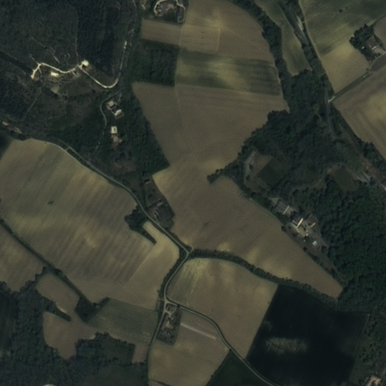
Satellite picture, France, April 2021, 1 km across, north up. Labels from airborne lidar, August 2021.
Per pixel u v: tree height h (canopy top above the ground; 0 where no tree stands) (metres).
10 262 0
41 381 18
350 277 17
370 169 0
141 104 20
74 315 0
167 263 0
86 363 21
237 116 0
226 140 0
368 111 0
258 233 0
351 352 0
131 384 0
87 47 10
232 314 0
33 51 16
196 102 0
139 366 16
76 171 0
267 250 0
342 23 0
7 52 15
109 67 12
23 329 7
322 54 0
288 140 11
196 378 0
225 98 0
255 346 0
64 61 16
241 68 0
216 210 0
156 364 0
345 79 0
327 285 0
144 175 15
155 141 23
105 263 0
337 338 0
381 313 15
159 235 0
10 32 18
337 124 9
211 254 12
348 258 30
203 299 0
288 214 0
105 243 0
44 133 12
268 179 0
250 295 0
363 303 14
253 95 0
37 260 0
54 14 19
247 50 0
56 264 0
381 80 0
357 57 0
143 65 12
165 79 7
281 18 0
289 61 0
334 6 0
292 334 0
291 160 10
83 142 7
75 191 0
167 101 0
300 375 0
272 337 0
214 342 0
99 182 0
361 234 27
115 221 0
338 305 13
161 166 9
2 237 0
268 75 0
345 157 25
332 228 24
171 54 18
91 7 11
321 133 11
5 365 14
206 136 0
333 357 0
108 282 0
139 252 0
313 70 23
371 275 31
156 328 0
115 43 11
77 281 0
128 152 8
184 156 0
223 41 0
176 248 0
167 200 0
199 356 0
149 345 0
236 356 0
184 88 0
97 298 0
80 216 0
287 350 0
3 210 0
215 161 0
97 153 14
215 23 0
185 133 0
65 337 0
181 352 0
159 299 0
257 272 11
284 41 0
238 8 0
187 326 0
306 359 0
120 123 0
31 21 16
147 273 0
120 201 0
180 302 0
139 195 7
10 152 0
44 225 0
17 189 0
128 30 12
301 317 0
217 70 0
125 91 20
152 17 0
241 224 0
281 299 0
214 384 0
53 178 0
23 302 24
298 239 0
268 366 0
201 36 0
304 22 0
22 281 0
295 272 0
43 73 6
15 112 11
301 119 31
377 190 18
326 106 0
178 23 0
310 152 29
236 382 0
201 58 0
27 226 0
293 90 23
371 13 0
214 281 0
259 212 0
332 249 14
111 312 0
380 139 0
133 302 0
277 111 0
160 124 0
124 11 12
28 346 6
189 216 0
